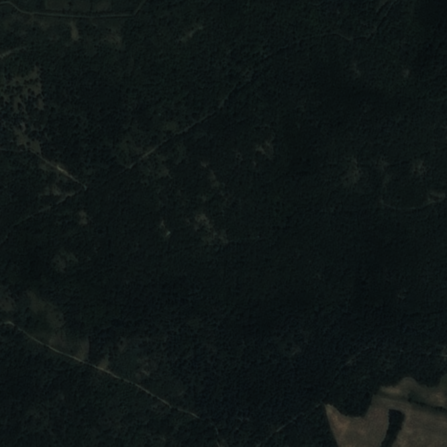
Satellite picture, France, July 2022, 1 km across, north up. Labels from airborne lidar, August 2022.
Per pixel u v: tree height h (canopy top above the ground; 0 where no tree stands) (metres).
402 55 13
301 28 19
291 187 20
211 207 10
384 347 12
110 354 8
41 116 10
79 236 9
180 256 16
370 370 8
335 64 8
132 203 10
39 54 10
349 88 8
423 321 19
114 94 10
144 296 17
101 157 8
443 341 13
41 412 7
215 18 14
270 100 14
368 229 19
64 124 9
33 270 16
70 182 7
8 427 14
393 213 10
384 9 8
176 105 9
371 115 6
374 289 17
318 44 6
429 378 17
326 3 12
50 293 15
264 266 21
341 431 0
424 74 14
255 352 9
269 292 13
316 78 7
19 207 11
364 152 11
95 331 12
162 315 12
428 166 8
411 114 11
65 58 12
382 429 0
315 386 12
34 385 9
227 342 10
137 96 9
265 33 11
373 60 7
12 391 13
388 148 8
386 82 14
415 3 7
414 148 10
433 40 13
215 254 14
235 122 11
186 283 21
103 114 9
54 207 9
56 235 8
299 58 13
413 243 15
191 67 15
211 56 14
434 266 9
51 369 11
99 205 8
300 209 12
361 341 16
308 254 15
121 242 11
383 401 0
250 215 13
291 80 12
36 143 0
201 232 7
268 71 14
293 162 12
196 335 14
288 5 8
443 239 14
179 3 7
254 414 11
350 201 10
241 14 18
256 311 21
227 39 12
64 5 0
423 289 6
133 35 6
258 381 18
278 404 15
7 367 16
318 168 11
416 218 14
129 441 6
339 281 17
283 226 14
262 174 18
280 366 10
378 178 9
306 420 7
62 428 13
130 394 7
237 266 24
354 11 9
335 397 14
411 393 0
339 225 16
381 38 6
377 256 16
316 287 15
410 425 0
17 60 12
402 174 11
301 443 11
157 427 10
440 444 0
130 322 15
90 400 10
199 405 12
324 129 14
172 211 11
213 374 17
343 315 18
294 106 13
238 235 15
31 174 9
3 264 9
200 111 8
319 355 11
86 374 12
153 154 6
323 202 9
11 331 8
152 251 7
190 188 11
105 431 14
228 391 15
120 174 11
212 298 23
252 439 12
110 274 13
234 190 11
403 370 13
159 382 6
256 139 10
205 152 13
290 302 18
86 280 11
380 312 18
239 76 13
